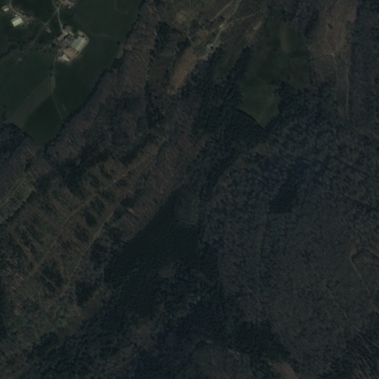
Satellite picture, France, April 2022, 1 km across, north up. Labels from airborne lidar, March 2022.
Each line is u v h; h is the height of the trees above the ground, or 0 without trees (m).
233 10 0
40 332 29
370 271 24
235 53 0
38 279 17
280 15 0
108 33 0
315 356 22
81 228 18
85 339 19
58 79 0
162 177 37
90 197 17
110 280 12
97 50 0
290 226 25
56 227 20
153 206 31
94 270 7
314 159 21
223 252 36
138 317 22
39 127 0
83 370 17
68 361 23
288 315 19
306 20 19
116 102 31
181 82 0
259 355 12
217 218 30
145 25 28
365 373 30
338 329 26
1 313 26
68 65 0
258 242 29
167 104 28
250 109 0
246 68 24
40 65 0
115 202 20
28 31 0
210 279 22
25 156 27
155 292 18
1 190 25
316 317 19
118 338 19
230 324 29
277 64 0
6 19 0
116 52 0
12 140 15
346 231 22
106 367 10
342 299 19
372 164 33
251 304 31
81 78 0
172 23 0
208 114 25
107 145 29
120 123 27
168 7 27
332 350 19
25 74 0
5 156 23
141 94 29
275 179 24
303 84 0
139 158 15
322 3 24
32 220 17
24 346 29
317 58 0
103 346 16
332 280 20
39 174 28
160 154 15
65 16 0
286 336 22
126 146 31
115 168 20
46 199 19
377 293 21
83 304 18
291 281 21
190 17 0
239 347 10
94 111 27
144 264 19
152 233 14
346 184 21
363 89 22
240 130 25
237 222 33
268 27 10
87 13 0
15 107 0
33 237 18
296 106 35
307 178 23
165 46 28
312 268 22
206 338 24
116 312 26
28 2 0
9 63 0
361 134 28
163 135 26
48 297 20
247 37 0
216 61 35
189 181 19
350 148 17
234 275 31
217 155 9
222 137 12
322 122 21
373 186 29
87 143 24
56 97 0
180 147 33
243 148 29
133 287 13
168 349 16
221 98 21
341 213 18
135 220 33
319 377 20
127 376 8
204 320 19
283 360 9
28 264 17
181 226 15
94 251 18
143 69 35
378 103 19
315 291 27
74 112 0
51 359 20
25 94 0
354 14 0
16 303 30
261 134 28
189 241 13
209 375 22
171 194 27
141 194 20
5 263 24
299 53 0
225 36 9
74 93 0
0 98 0
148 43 32
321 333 20
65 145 26
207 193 22
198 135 34
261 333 11
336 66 0
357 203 7
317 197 22
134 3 0
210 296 26
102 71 0
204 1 0
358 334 23
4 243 28
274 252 7
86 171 21
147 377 20
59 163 29
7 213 0
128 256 14
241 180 25
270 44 0
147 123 34
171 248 12
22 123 0
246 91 0
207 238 31
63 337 0
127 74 35
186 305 22
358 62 27
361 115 24
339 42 0
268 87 0
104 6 0
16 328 27
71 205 19
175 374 17
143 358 17
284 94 27
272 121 0
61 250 21
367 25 24
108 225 18
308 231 21
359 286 17
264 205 30
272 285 27
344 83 0
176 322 24
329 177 24
